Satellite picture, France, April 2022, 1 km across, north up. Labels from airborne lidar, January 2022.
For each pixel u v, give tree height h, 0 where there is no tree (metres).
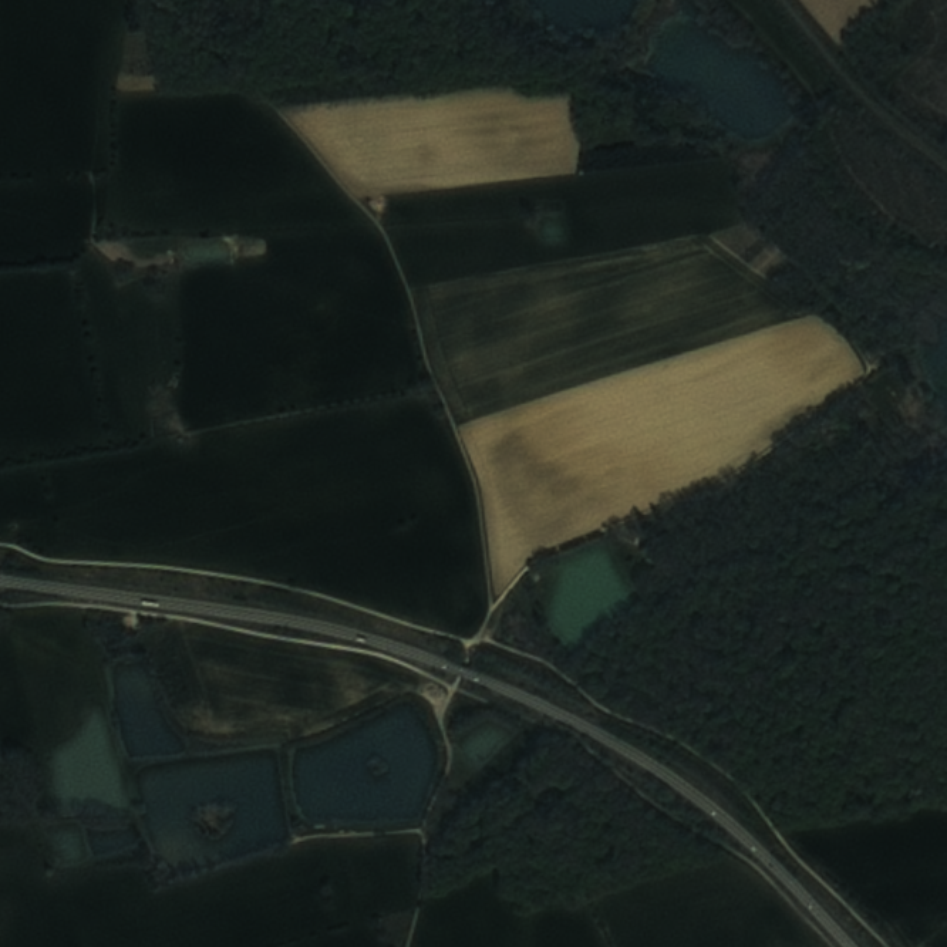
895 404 0
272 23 22
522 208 0
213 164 0
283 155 0
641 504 0
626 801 26
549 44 22
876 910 0
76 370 0
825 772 22
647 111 7
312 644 0
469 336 0
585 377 0
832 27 0
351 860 0
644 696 22
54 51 0
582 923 0
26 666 0
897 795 20
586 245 0
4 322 0
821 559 22
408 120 0
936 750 23
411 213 0
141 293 0
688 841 24
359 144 0
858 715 25
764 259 0
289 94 20
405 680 0
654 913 0
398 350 0
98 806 14
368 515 0
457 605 0
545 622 20
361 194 0
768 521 24
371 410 0
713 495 19
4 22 0
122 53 0
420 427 0
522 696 0
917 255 24
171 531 0
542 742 20
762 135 0
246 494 0
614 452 0
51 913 0
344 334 0
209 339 0
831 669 25
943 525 26
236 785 0
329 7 23
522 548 0
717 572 18
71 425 0
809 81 0
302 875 0
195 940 0
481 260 0
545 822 27
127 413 0
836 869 0
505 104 0
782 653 24
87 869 0
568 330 0
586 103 20
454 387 0
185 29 24
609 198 0
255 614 0
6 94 0
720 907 0
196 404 0
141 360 0
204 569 0
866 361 0
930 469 32
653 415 0
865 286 15
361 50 24
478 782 0
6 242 0
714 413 0
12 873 0
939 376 0
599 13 0
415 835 0
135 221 0
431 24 23
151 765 0
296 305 0
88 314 0
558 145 0
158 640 0
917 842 0
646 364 0
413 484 0
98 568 0
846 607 22
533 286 0
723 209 0
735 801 12
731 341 0
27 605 0
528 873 25
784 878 0
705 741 23
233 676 0
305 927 0
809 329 0
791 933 0
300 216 0
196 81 24
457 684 0
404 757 0
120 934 0
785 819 19
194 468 0
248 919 0
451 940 0
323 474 0
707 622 25
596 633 15
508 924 0
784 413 0
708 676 25
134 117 0
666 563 24
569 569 0
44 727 0
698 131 18
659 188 0
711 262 0
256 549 0
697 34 0
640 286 0
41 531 0
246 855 19
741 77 0
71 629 0
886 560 24
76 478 0
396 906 0
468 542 0
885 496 18
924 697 23
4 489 0
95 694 0
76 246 0
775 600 25
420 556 0
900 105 20
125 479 0
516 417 0
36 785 20
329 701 0
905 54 8
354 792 0
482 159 0
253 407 0
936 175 13
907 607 26
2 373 0
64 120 0
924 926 0
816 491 24
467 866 21
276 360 0
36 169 0
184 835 0
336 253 0
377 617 0
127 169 0
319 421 0
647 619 26
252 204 0
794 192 27
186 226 0
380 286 0
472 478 0
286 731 0
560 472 0
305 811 0
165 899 0
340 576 0
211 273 0
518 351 0
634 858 26
